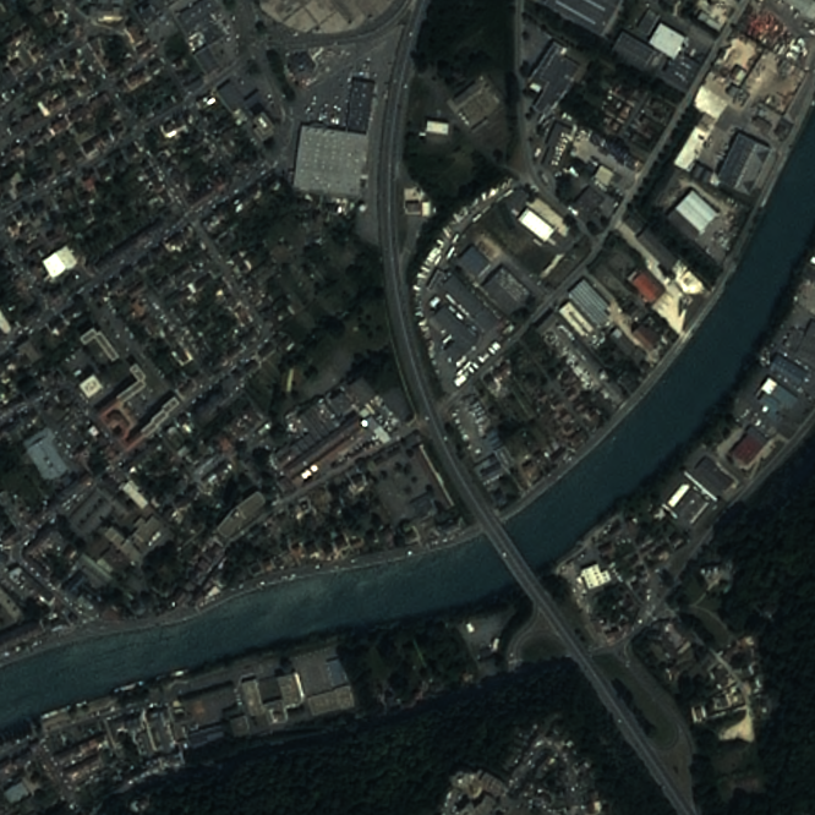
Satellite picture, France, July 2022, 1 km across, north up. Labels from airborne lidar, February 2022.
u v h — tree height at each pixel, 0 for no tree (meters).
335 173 0
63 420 0
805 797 17
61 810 10
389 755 17
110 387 0
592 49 18
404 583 0
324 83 0
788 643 21
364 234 0
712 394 0
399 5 0
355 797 17
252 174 0
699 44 0
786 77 0
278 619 0
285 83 9
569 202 14
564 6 0
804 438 0
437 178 0
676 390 0
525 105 0
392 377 0
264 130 0
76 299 9
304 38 0
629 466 0
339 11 0
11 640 0
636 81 13
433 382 0
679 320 0
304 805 19
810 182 0
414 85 0
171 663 0
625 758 19
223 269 0
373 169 0
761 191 0
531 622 0
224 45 0
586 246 0
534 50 0
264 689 0
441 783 17
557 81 0
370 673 16
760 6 0
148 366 0
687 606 11
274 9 0
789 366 0
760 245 0
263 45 0
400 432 0
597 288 0
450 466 0
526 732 6
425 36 10
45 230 0
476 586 0
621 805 9
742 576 17
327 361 0
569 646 0
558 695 19
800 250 0
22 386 10
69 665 0
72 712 7
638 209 8
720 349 0
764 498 0
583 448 0
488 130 0
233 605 0
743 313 0
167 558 17
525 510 0
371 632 9
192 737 0
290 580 0
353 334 0
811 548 18
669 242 11
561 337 0
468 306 0
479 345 0
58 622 0
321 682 0
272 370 0
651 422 0
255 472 0
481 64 10
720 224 0
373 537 0
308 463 0
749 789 0
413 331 0
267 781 13
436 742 20
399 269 0
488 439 0
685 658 0
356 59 0
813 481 12
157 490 9
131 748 15
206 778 25
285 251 0
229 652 0
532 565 0
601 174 0
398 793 21
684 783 0
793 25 0
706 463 0
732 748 11
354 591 0
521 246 0
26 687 0
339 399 0
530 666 0
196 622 0
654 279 0
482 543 0
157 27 0
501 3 0
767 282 0
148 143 6
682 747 0
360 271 7
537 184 0
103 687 0
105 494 0
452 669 11
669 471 18
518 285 0
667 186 0
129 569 9
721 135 0
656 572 0
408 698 17
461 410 0
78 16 0
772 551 19
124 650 0
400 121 0
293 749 16
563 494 0
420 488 0
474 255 0
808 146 0
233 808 18
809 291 0
